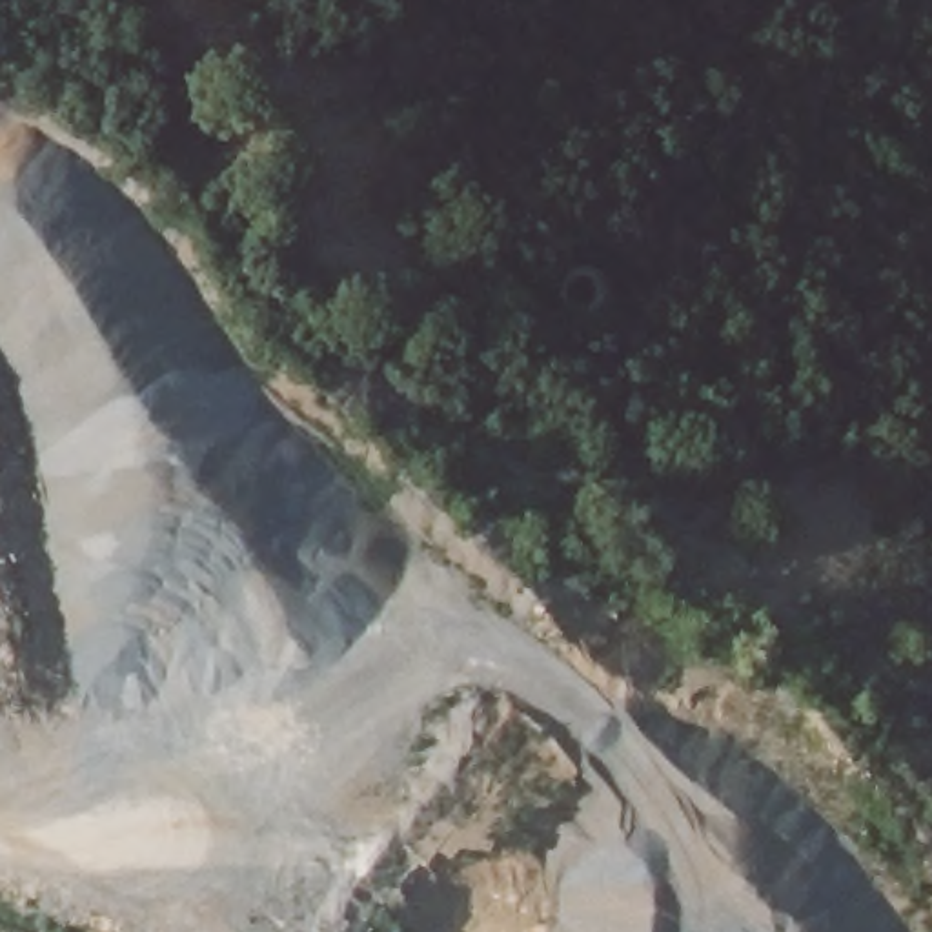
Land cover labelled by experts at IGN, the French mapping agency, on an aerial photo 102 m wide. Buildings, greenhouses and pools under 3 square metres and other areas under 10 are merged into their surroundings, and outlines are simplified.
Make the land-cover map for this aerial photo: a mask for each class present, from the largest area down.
<instances>
[{"label":"deciduous trees","instance_id":"1","mask_svg":"<svg viewBox=\"0 0 932 932\"><path fill-rule=\"evenodd\" d=\"M0 102H7L15 113H51L73 135L113 153V164L102 171L106 182L120 186L124 197L142 208V218L175 248L178 262L197 280L215 324L229 335L240 360L269 386L273 408L291 426L306 430L309 441L328 448L324 462L346 488H353L360 499L375 506H390L400 491V477L408 473L411 484L430 491V499L455 521L462 535H477L488 546V553L546 604V612L572 644H579L608 674L630 681V695L637 703H659V692H674L688 666L732 663V641L739 633L754 637L761 626L772 623L775 641L768 648V659L750 670V688H786L808 699L816 710L830 721V728L852 750V757L870 765V775L896 761H907L903 750L888 743V717L874 710L870 692H863V681L841 670L837 659H830V652L816 641L812 630L823 626L819 615L826 612L830 623H845V608L856 597L852 590L874 593L888 583L921 586V553L932 550V0H0ZM928 644L921 630L903 623L892 630V659L925 663Z\"/></svg>","mask_w":932,"mask_h":932},{"label":"pervious surface","instance_id":"2","mask_svg":"<svg viewBox=\"0 0 932 932\"><path fill-rule=\"evenodd\" d=\"M113 164V153L73 135L51 113H15L7 102H0V896L15 910H22L25 899H40L44 914L69 921L66 932H346V899L353 896L360 877L371 874L375 859L386 852L393 837L415 866L411 881L404 885V899L393 907V921L400 925V932H910L899 921V914L885 903L863 863L837 841V830L812 808V801L786 786L757 757V746L750 739H735L717 728L724 721L728 695L735 688H750V670L768 659V648L775 641L772 623L761 626L754 637L739 633L732 641V663L688 666L674 692H659V703H637L630 695V681L608 674L579 644H572L546 612V604L488 553V546L477 535H462L455 521L430 499V491L411 484L408 473L400 477V491L390 506H375L360 499L353 488H346L324 462L328 448L309 441L306 430L291 426L273 408L269 386L240 360L229 335L215 324L197 280L178 262L175 248L142 218V208L124 197L120 186L106 182L102 171ZM481 688H510L521 699L535 703L539 710L532 721L542 724L550 743H532V750L553 757V779H586L590 786V794L579 801L575 819L561 826L557 845L546 856H506L491 845L495 823L506 819L499 812L502 783H495V775L470 779V790L477 794V812L466 823L441 819L426 834V841L411 834V819L419 816V808L433 801L444 783H451L459 757L470 750V717L477 710ZM805 724L823 739L834 768L852 775L856 783H866L870 775V765L852 757V750L830 728V721L816 710Z\"/></svg>","mask_w":932,"mask_h":932},{"label":"herbaceous vegetation","instance_id":"3","mask_svg":"<svg viewBox=\"0 0 932 932\"><path fill-rule=\"evenodd\" d=\"M921 586L888 583L874 593L852 590L856 597L845 608V623H830L826 612L819 615L823 626L812 630L816 641L830 652V659H837L841 670L863 681V692H870L874 710L888 717V743L903 750L910 743H932V550L921 553ZM903 623L921 630L928 644L925 663L892 659V630ZM539 710L535 703L521 699L510 688H481L477 710L470 717V750L459 757L451 783H444L433 801L419 808V816L411 819V834L426 841V834L441 819L466 823L477 812V794L470 790V779L495 775V783H502L499 812L506 819L495 823L491 845L506 856H546L557 845L561 826L575 819L579 801L590 794V786L586 779H553V757L532 750V743H550L542 724L532 721ZM816 710L808 699L786 688H735L728 695L724 721L717 728L735 739H750L757 746V757L786 786L812 801V808L837 830V841L863 863L885 903L899 914L907 907L903 885L892 877L881 856L866 848V826H856V783L852 775L834 768L823 739L805 724ZM415 866L393 837L386 852L375 859L371 874L360 877L353 896L346 899V932H400V925L393 921V907L404 899V885L411 881ZM69 921L44 914L40 899H25L22 910H15L0 896V932H66Z\"/></svg>","mask_w":932,"mask_h":932},{"label":"brushwood","instance_id":"4","mask_svg":"<svg viewBox=\"0 0 932 932\"><path fill-rule=\"evenodd\" d=\"M907 761H896L870 775L866 783H856V826H866V848L881 856L892 877L903 885L907 907L899 914V921L910 932H932V743H910L903 750Z\"/></svg>","mask_w":932,"mask_h":932}]
</instances>
